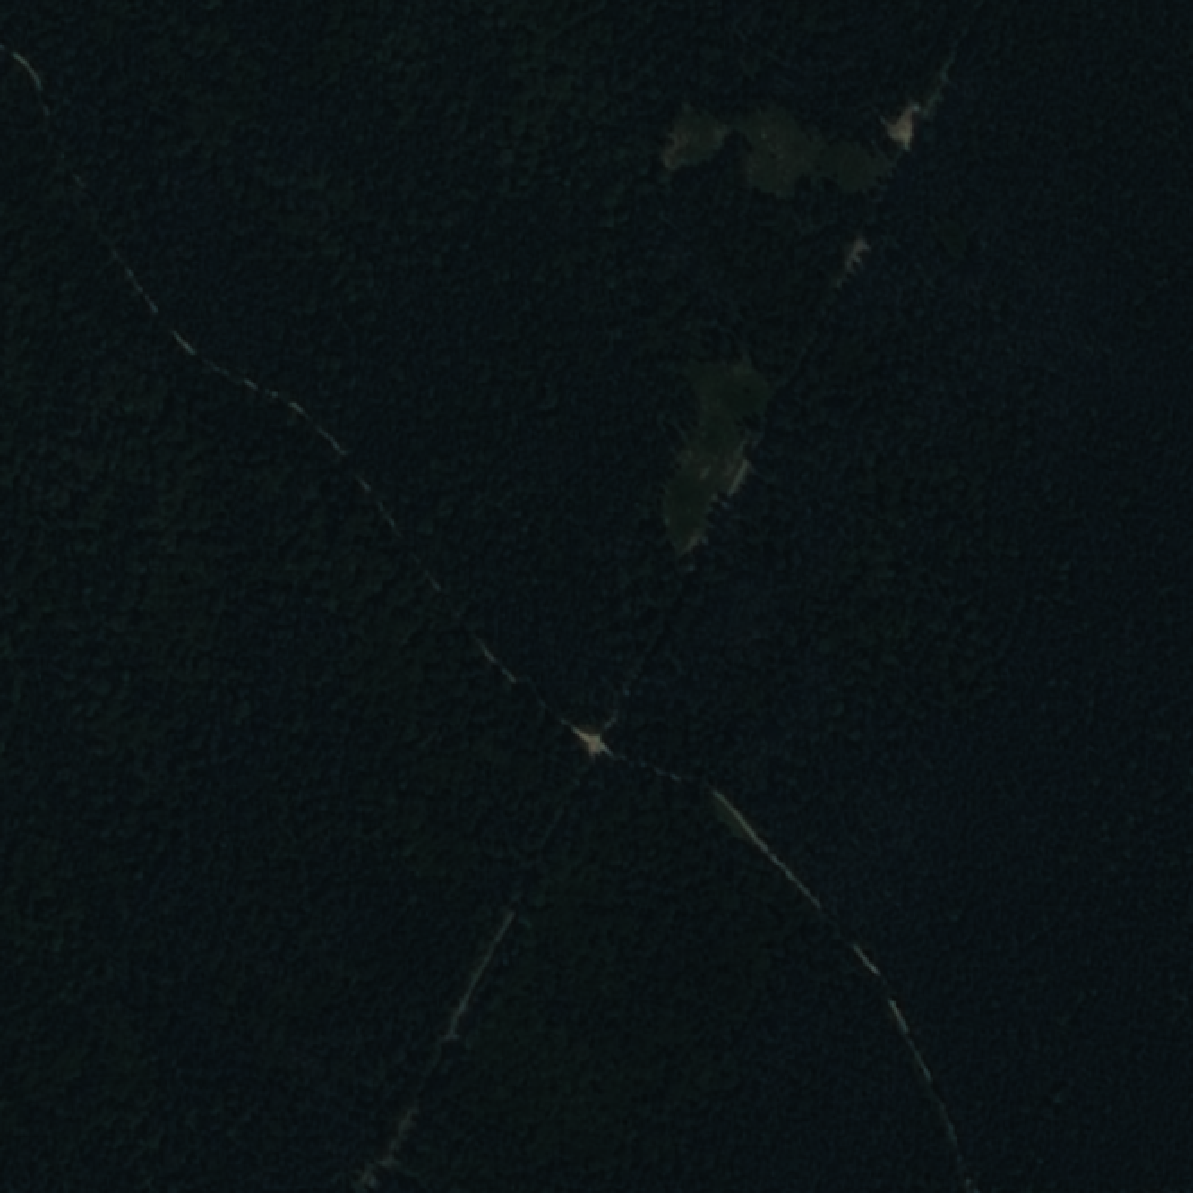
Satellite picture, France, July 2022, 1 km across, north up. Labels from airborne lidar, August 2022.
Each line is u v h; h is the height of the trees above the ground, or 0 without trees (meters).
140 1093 20
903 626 18
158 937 19
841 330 26
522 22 19
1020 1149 27
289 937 19
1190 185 24
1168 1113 25
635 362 19
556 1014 24
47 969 18
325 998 12
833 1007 27
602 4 18
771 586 22
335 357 22
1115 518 21
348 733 26
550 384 19
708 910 26
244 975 15
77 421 23
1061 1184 24
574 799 13
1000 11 23
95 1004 19
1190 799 23
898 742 28
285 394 13
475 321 19
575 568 19
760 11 19
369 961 21
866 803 25
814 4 20
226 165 24
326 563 18
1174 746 25
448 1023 19
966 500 21
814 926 26
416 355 15
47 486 21
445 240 19
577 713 16
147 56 15
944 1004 28
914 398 22
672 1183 30
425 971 22
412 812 18
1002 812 23
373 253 22
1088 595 23
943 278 29
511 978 18
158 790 6
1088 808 16
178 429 20
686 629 23
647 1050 21
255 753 24
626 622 23
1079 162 24
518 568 22
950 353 24
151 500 16
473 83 23
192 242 23
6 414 16
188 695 14
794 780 19
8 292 13
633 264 21
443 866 16
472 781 19
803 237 15
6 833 17
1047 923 17
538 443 15
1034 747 20
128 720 18
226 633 8
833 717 22
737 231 23
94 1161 26
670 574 16
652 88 19
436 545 17
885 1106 23
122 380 19
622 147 18
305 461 16
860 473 21
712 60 17
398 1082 20
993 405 24
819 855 25
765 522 24
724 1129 28
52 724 10
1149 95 24
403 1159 18
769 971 26
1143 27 23
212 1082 25
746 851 25
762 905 27
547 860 16
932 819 26
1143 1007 23
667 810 20
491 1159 20
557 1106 14
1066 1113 26
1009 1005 24
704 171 15
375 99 20
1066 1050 25
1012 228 28
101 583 9
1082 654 17
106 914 15
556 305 21
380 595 25
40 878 20
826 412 21
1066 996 26
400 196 16
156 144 19
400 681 15
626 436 22
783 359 22
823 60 27
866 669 17
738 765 24
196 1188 22
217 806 25
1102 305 24
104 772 9
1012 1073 21
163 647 16
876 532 11
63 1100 24
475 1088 19
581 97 16
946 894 26
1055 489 20
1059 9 22
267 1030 20
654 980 27
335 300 18
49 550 18
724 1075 21
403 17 18
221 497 11
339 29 17
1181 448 20
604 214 24
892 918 25
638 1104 21
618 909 17
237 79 18
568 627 21
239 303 19
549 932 19
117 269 21
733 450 0
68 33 23
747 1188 21
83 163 21
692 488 0
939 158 29
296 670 22
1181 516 24
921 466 23
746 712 23
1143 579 25
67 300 23
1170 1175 26
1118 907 24
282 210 22
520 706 22
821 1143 28
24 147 13
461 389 19
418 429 17
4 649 15
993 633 14
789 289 20
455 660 19
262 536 10
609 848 20
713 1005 26
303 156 27
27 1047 17
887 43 25
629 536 19
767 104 18
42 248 17
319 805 18
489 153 14
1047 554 18
